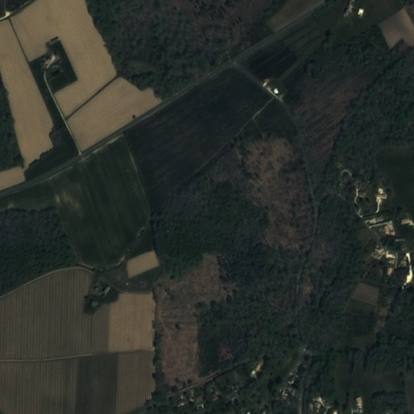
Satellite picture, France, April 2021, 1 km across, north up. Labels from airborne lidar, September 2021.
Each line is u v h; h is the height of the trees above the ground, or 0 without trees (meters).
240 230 25
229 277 0
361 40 6
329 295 17
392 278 7
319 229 15
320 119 6
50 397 0
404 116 28
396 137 22
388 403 17
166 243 18
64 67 0
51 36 0
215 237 17
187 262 0
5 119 22
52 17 0
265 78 0
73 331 0
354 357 21
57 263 15
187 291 0
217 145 0
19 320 0
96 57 0
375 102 24
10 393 0
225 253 18
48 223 17
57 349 0
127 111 0
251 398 23
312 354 21
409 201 0
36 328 0
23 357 0
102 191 0
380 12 0
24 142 0
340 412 7
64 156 0
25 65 0
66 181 0
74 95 0
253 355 22
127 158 0
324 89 14
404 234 0
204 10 16
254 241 17
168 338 0
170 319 0
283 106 0
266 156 0
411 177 0
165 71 10
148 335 0
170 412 19
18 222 17
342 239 15
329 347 27
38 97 0
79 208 0
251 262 20
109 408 0
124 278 0
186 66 10
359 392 0
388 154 0
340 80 16
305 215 7
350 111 20
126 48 14
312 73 19
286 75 0
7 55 0
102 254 0
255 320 21
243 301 20
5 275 18
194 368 0
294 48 0
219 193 20
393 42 0
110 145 0
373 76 15
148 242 0
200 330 6
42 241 17
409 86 24
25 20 0
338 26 0
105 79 0
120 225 0
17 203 0
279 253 15
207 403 9
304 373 23
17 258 18
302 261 17
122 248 0
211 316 17
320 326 31
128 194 0
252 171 0
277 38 0
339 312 12
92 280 0
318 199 17
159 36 24
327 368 23
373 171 22
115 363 0
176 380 0
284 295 22
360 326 12
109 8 25
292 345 22
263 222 17
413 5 10
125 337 0
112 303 0
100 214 0
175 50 26
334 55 13
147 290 0
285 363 22
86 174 0
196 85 21
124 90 0
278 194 0
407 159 0
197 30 20
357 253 28
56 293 0
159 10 27
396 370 17
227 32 8
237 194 18
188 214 12
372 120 22
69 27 0
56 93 0
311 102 7
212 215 18
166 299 0
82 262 0
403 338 21
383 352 23
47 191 0
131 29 13
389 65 14
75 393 0
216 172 17
